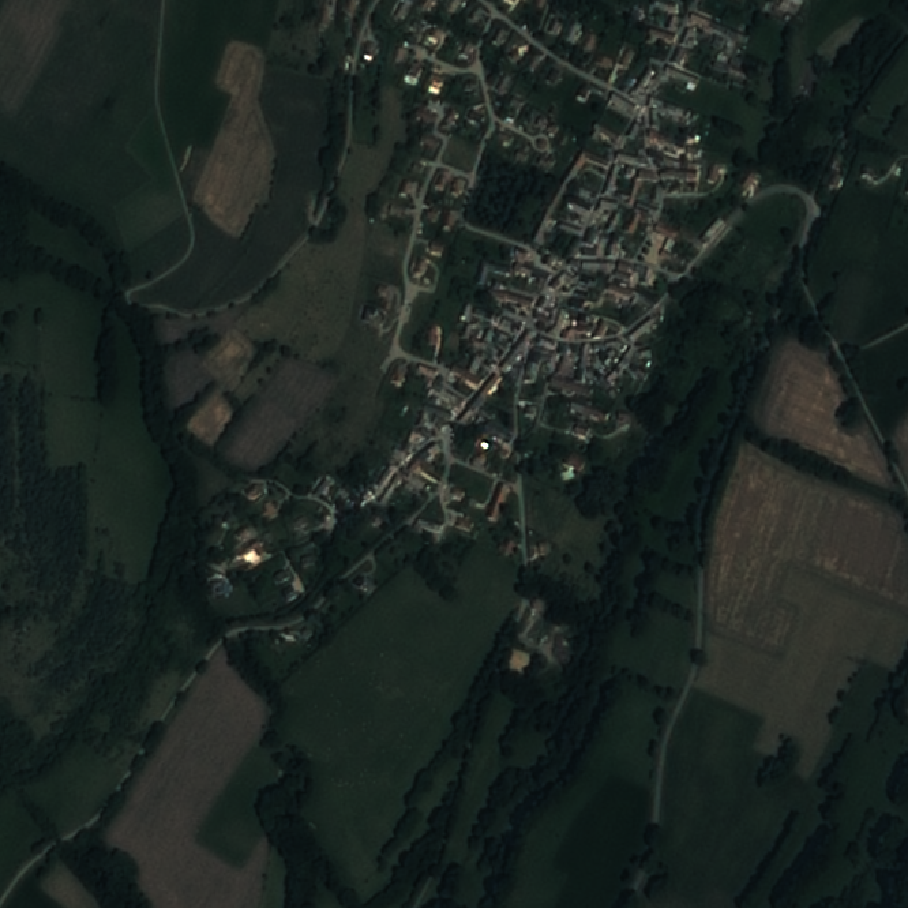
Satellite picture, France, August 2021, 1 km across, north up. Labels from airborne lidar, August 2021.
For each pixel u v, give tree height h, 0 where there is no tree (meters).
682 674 0
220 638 12
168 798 0
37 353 0
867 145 8
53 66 0
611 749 0
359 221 0
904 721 14
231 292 0
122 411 0
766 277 0
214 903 0
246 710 0
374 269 0
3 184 20
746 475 0
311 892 22
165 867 0
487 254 10
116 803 16
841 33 0
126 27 0
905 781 24
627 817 0
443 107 0
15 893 0
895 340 0
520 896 0
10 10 0
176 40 0
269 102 0
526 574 18
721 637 0
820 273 0
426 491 8
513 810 0
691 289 15
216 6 0
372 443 8
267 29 0
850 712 0
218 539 0
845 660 0
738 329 13
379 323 0
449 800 13
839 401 0
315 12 10
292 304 0
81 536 9
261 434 0
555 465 13
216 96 0
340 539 11
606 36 8
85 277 19
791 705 0
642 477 32
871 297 0
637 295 0
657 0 0
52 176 0
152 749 17
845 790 7
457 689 0
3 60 0
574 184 16
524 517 0
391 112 0
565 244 9
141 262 0
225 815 0
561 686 9
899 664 0
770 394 0
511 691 20
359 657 0
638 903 16
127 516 0
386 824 0
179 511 21
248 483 6
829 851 25
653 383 7
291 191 0
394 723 0
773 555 0
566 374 0
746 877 0
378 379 0
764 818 0
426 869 10
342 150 8
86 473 12
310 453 8
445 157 0
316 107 0
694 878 0
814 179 20
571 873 0
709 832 0
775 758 12
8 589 8
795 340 0
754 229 0
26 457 7
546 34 14
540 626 0
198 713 0
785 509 0
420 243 0
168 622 6
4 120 0
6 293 0
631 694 0
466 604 0
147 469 0
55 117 0
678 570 10
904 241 0
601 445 6
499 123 6
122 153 0
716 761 0
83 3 0
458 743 15
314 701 0
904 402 0
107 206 0
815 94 7
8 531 7
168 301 0
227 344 0
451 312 0
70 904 0
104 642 8
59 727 7
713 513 16
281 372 0
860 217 0
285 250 0
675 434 19
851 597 0
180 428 18
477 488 0
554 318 0
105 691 7
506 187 15
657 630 0
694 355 0
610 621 12
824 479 15
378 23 6
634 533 14
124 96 0
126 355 0
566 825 0
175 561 16
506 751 15
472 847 8
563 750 22
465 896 0
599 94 0
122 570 6
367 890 0
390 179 7
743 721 0
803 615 0
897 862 20
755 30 13
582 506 22
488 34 9
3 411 16
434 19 8
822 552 0
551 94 0
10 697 0
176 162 0
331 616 7
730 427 16
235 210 0
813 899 0
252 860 0
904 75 0
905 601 0
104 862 25
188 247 0
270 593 0
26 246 14
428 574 10
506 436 0
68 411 0
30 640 0
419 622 0
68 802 0
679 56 0
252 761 0
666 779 0
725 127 21
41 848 15
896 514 0
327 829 0
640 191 0
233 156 0
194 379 0
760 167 10
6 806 0
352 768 0
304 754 8
